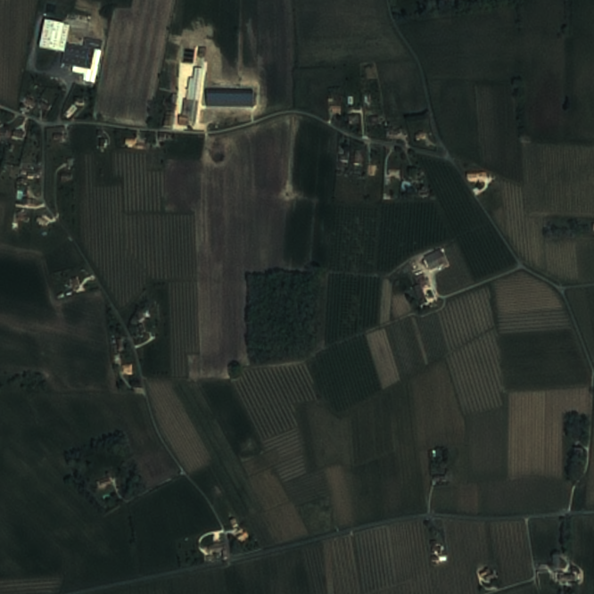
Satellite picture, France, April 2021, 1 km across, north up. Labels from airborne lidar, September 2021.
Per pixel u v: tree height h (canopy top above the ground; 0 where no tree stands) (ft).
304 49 0
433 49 0
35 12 0
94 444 33
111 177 0
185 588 0
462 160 0
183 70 0
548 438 0
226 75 0
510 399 0
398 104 0
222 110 0
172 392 0
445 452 22
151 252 0
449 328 0
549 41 0
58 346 0
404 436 0
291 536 0
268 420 0
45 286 0
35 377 34
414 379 0
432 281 0
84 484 38
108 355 0
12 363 0
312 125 0
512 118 0
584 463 68
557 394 0
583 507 0
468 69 0
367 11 0
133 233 0
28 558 0
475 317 0
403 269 0
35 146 25
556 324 0
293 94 20
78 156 0
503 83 0
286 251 0
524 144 0
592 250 0
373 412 0
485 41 0
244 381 0
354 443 0
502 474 0
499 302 0
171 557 0
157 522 0
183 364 0
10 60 0
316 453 0
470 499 0
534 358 0
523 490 0
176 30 0
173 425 0
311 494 0
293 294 62
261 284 50
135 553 0
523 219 0
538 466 0
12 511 0
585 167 0
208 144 0
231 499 0
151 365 0
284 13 0
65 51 0
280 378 0
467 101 0
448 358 0
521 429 0
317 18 0
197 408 0
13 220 0
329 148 0
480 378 0
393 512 0
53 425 0
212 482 0
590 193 0
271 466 0
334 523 0
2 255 0
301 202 0
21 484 0
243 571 0
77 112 0
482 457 0
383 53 0
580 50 0
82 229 0
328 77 0
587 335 0
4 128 21
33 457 0
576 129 0
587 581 0
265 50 0
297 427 0
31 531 0
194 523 0
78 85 0
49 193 0
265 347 50
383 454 0
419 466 0
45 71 0
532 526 0
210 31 0
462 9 54
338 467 0
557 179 0
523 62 0
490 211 0
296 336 65
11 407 0
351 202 0
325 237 0
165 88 0
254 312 53
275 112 0
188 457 0
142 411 0
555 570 36
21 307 0
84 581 0
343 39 0
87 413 0
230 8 0
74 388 0
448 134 0
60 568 0
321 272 67
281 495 0
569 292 0
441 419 0
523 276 0
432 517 0
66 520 0
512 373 0
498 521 0
